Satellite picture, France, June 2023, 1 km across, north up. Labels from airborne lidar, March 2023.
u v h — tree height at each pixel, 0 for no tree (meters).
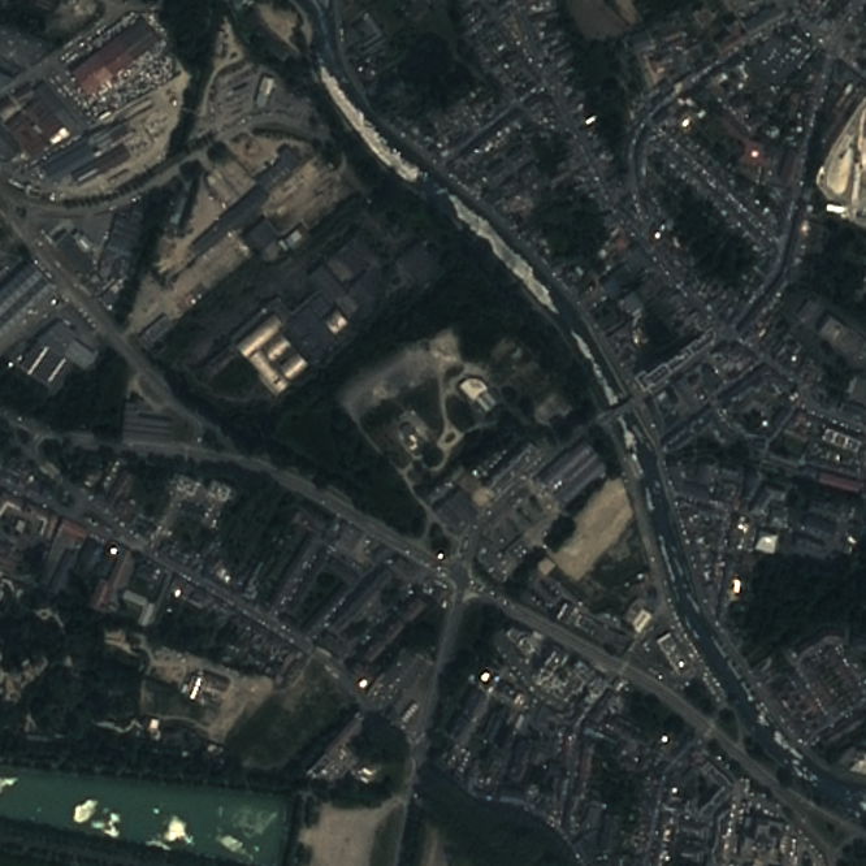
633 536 0
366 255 0
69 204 8
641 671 0
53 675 21
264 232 0
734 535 0
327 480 11
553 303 0
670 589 0
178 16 13
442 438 0
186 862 10
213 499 0
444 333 0
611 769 7
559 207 8
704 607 0
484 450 19
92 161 0
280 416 9
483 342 15
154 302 0
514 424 25
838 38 0
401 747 25
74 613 13
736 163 10
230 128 0
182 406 0
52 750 12
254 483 15
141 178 9
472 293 13
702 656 0
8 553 0
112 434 11
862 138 0
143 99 0
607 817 0
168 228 0
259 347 0
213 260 0
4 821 9
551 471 0
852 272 16
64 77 0
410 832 15
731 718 16
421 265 0
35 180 0
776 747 0
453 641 0
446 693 8
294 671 0
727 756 12
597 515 0
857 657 0
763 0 0
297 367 0
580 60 6
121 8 0
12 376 12
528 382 0
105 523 0
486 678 0
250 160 0
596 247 8
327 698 0
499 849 31
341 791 15
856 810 0
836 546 0
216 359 0
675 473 0
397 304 6
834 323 0
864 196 0
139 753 23
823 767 0
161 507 0
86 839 13
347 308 0
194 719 0
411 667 0
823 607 20
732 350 0
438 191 0
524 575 13
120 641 0
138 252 11
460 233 8
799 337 0
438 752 13
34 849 7
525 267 0
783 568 24
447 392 0
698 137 7
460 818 29
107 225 0
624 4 0
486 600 0
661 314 0
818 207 10
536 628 0
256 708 0
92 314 0
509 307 10
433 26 0
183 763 11
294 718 0
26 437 6
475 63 9
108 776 10
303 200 0
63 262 0
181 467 13
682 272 0
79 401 16
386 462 20
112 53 0
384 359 0
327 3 0
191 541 11
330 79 0
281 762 0
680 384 0
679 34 0
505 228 0
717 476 0
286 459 16
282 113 0
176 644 15
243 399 0
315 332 0
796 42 0
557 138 7
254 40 14
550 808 0
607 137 13
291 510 7
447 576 0
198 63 12
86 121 0
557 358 19
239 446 8
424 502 0
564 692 0
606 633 0
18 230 0
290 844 8
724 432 0
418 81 8
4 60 0
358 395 0
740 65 0
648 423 0
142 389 0
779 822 0
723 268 16
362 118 0
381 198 18
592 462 0
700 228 10
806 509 6
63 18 0
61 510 0
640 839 0
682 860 11
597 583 0
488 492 0
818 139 10
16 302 0
